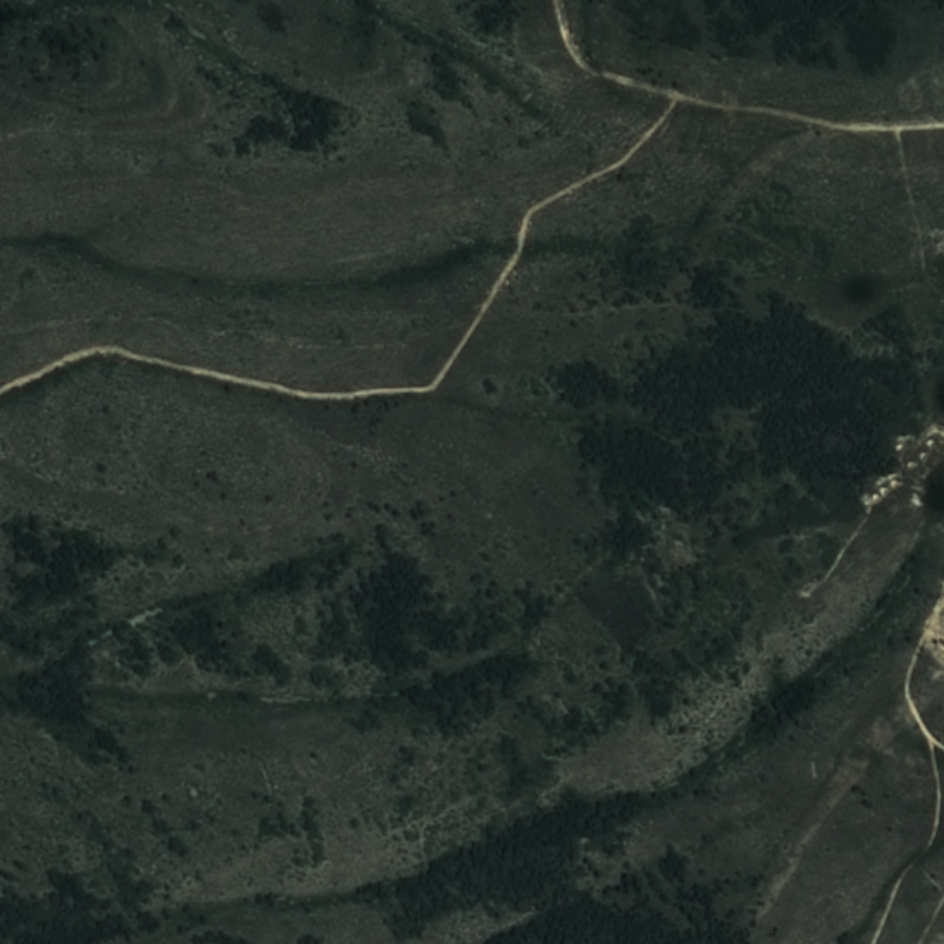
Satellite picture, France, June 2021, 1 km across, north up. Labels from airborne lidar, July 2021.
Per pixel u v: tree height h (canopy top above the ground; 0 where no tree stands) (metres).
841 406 8
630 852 0
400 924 7
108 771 0
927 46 0
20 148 0
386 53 0
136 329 0
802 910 0
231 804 0
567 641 0
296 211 0
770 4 8
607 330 0
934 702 0
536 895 7
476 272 0
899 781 0
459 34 0
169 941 0
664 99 0
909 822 0
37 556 6
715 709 0
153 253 0
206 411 0
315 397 0
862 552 0
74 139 0
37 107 0
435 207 0
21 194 0
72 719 6
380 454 0
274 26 0
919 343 0
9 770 0
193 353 0
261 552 0
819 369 8
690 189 0
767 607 0
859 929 0
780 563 0
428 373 0
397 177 0
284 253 0
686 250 0
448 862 11
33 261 0
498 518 0
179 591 0
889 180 0
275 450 0
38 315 0
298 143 6
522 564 0
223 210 0
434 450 0
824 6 10
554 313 0
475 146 0
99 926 7
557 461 0
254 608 0
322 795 0
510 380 0
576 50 0
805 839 0
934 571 0
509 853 8
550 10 0
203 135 0
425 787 0
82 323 0
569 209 0
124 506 0
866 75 0
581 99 0
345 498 0
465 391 0
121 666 0
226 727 0
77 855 0
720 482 7
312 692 0
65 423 0
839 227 0
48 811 0
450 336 0
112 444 0
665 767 0
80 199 0
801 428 7
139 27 0
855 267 0
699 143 0
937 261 0
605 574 0
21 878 0
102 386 0
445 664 0
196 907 0
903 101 0
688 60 0
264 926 0
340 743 0
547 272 0
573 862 8
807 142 0
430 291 0
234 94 7
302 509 0
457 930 0
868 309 0
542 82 0
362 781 0
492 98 0
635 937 9
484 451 0
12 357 0
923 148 0
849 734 0
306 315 0
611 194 0
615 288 0
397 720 0
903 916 0
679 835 0
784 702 12
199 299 0
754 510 0
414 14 0
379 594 6
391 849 0
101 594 0
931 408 0
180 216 0
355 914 0
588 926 9
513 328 0
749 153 0
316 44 0
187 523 0
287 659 0
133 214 0
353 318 0
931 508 0
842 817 0
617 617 0
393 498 0
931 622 0
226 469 0
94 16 0
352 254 0
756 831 0
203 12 0
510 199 0
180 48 0
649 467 8
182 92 0
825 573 0
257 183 0
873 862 0
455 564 0
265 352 0
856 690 0
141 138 0
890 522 0
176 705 0
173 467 0
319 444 0
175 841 6
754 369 7
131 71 0
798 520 0
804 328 8
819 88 0
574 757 0
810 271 0
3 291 0
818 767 0
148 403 0
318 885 0
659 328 0
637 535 7
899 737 0
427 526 7
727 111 0
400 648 7
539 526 0
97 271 0
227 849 0
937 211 0
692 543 0
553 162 0
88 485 0
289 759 0
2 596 0
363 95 0
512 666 8
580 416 0
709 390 6
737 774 0
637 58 0
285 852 0
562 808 7
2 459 0
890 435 0
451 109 0
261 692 0
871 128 0
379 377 0
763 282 0
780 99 0
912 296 0
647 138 0
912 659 0
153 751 0
